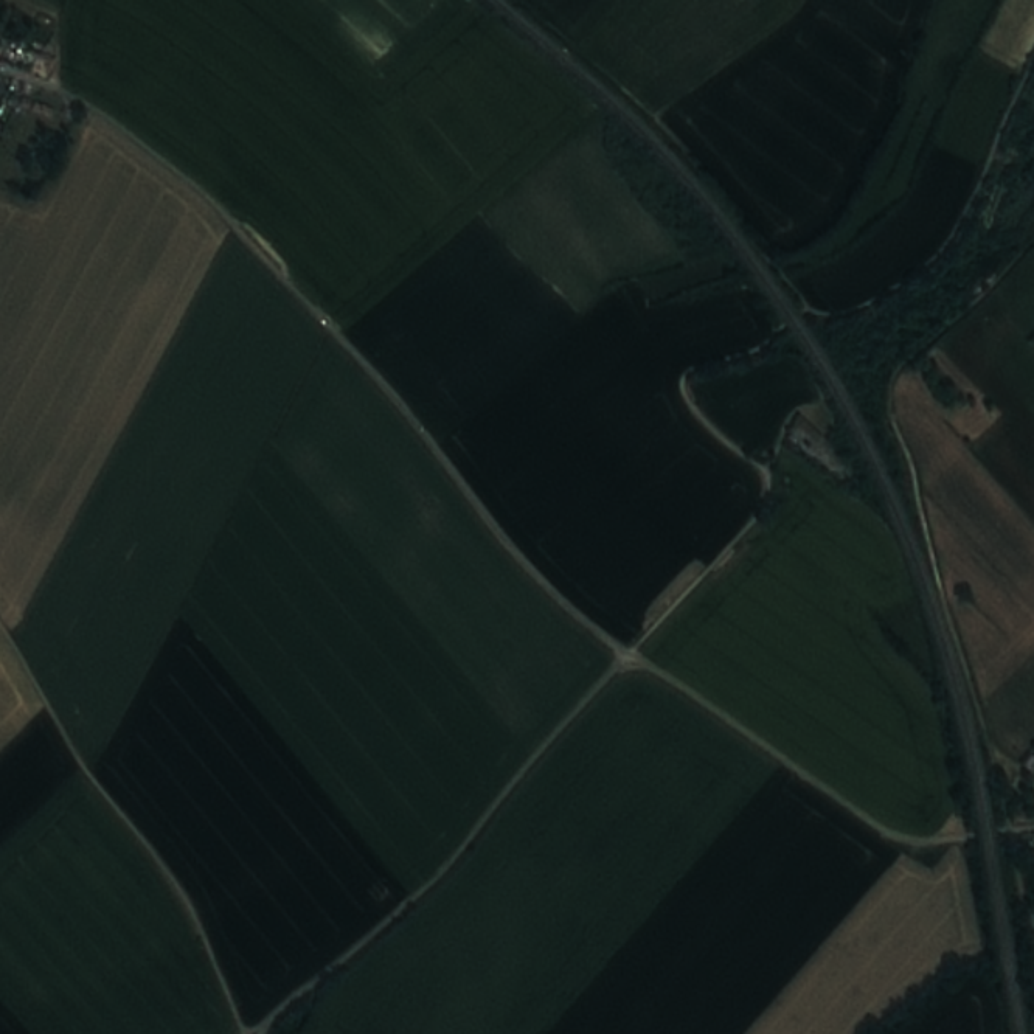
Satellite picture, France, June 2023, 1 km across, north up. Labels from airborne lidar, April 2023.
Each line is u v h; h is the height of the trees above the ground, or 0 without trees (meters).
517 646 0
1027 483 0
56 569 0
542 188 0
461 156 0
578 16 0
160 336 0
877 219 8
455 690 0
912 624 0
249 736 0
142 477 0
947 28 0
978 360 0
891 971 0
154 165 0
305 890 0
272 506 0
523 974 0
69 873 0
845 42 0
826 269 0
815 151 0
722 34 0
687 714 0
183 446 0
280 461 0
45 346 0
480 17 0
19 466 0
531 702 0
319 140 0
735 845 0
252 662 0
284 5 0
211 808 0
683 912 0
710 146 0
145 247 0
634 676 0
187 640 0
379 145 0
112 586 0
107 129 0
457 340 0
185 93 0
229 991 0
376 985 0
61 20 0
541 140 0
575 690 0
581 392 0
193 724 0
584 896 0
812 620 0
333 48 0
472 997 0
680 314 0
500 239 0
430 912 0
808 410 0
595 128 0
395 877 0
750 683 0
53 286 0
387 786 0
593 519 0
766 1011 0
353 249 0
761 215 0
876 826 0
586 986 0
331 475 0
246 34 0
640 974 0
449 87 0
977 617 0
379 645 0
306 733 0
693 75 0
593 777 0
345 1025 0
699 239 10
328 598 0
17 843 0
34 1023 0
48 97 0
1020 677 0
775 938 0
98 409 0
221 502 0
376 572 0
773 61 0
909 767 0
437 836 0
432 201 0
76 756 0
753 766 0
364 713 0
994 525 0
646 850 0
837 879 0
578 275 0
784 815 0
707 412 0
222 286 0
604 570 0
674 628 0
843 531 0
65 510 0
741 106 0
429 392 0
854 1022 0
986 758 9
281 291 0
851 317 8
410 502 0
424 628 0
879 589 0
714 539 0
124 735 0
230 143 0
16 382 0
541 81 0
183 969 0
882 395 7
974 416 0
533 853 0
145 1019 0
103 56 0
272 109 0
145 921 0
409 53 0
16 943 0
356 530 0
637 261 0
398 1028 0
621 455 0
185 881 0
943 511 0
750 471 0
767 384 0
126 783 0
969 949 0
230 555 0
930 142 10
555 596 0
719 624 0
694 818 0
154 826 0
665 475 0
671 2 0
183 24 0
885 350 14
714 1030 0
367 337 0
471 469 0
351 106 0
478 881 0
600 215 0
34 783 0
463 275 0
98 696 0
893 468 7
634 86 0
